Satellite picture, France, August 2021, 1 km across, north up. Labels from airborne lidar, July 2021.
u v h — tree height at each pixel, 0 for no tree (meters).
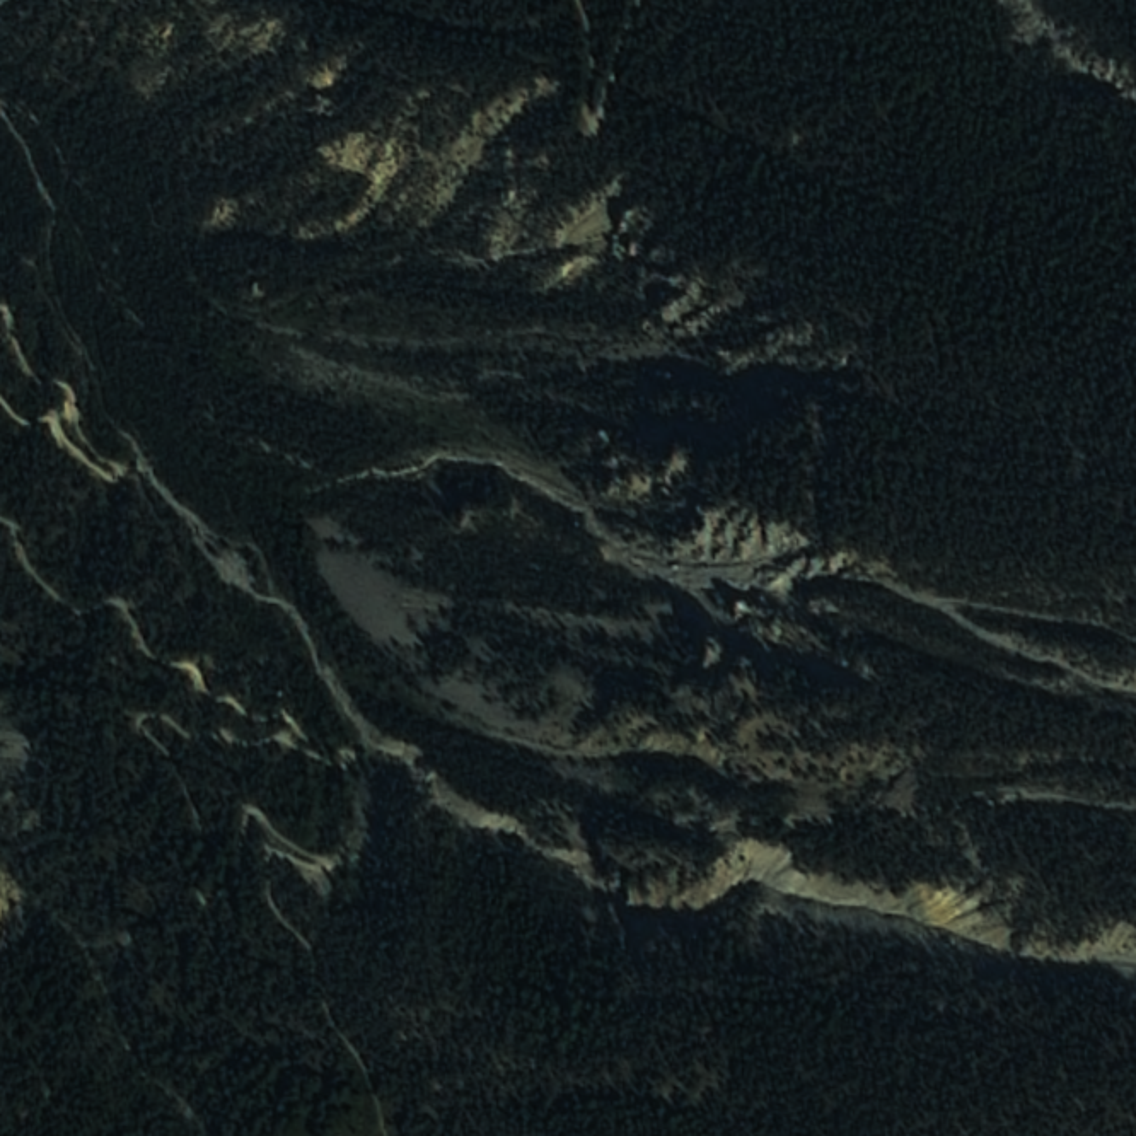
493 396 10
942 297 11
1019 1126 8
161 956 22
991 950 0
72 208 9
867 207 11
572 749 0
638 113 17
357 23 9
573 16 8
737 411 10
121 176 13
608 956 9
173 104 9
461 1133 15
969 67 18
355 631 8
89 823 14
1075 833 10
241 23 6
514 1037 12
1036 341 14
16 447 9
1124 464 9
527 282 6
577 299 7
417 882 8
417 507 8
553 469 0
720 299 15
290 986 21
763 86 8
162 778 22
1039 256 13
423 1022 11
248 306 6
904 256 10
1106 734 14
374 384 0
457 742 8
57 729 16
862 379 11
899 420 16
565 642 6
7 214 11
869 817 7
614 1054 12
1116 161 15
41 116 10
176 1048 9
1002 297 16
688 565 0
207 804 19
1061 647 9
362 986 13
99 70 9
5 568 14
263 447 9
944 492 13
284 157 12
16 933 10
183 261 8
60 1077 19
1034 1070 12
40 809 11
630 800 7
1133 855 13
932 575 7
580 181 15
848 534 14
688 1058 13
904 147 16
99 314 9
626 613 9
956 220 15
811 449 15
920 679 12
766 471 12
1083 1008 12
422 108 10
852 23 14
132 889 20
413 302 13
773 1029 8
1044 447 8
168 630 16
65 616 11
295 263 12
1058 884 11
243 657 8
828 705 11
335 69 6
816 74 10
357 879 10
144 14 10
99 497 14
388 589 0
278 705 7
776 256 8
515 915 15
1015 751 10
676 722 12
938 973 14
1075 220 14
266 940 15
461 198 8
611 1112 16
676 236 10
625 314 7
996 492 10
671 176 13
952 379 11
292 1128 22
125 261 8
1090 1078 12
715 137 16
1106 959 0
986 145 16
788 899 0
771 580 0
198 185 13
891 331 10
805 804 0
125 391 8
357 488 6
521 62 6
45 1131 14
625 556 0
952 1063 9
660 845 7
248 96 16
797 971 9
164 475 10
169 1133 6
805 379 7
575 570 6
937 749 12
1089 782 7
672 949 9
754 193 12
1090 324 13
